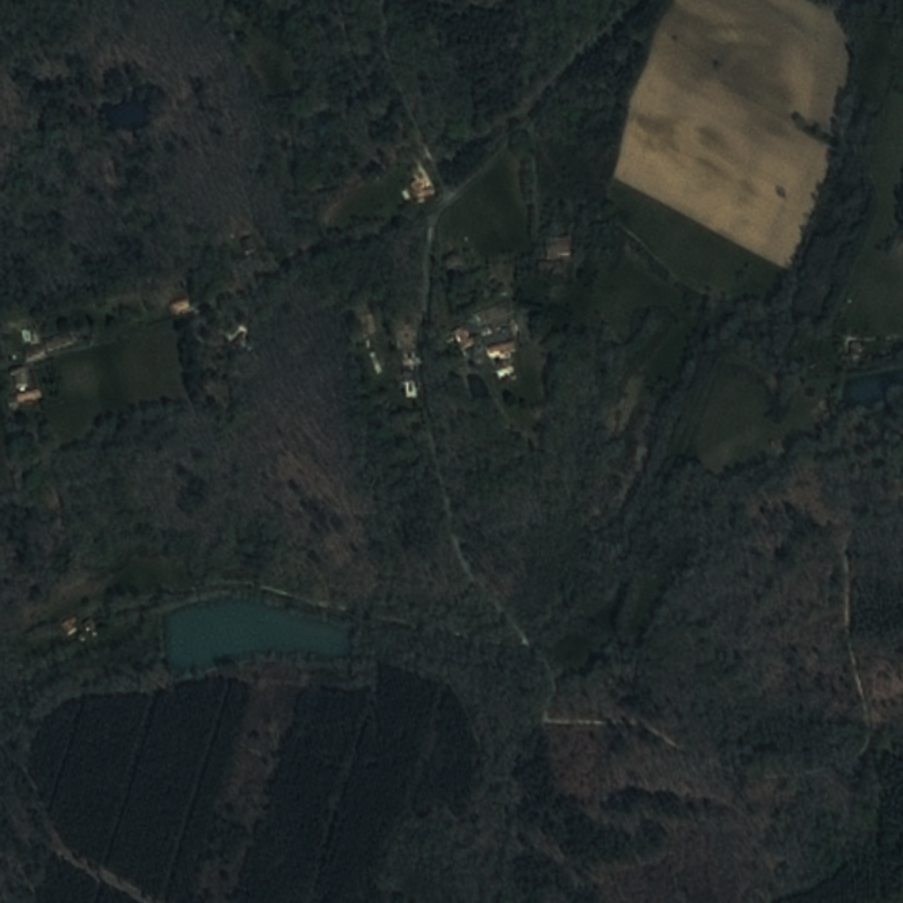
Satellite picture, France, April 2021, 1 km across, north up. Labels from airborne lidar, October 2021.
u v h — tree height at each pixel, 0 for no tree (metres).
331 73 20
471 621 12
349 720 11
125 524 27
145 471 16
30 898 19
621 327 0
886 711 17
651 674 16
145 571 0
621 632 17
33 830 18
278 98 7
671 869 7
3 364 14
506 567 12
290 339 18
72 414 0
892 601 15
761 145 0
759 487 11
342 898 13
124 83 22
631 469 7
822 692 13
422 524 20
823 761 16
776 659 12
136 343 0
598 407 18
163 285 21
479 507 11
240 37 15
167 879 15
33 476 20
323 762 11
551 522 19
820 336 22
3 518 20
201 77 11
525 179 17
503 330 9
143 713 15
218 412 24
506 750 18
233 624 0
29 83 26
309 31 20
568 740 10
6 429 17
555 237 14
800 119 13
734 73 0
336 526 21
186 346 17
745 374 12
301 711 12
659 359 0
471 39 16
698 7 0
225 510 18
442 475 15
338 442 19
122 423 14
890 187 0
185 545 18
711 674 15
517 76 17
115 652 14
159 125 13
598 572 33
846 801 16
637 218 0
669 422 18
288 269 13
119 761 15
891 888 12
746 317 12
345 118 14
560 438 17
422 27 18
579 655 0
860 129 21
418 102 13
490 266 8
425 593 12
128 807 15
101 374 0
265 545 20
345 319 11
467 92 9
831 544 15
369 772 14
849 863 9
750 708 13
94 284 27
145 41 14
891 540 17
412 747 15
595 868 25
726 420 0
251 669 9
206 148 17
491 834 15
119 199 18
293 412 16
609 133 22
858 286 0
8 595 12
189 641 0
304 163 24
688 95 0
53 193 16
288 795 14
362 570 22
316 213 13
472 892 14
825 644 14
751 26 0
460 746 14
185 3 17
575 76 20
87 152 14
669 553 6
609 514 10
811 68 0
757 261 0
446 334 12
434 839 14
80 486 20
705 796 19
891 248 9
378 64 12
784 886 16
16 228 14
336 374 17
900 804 14
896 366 13
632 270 0
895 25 12
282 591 17
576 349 25
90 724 15
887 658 8
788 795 19
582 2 25
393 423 22
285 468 16
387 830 15
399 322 20
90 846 14
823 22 0
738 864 13
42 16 23
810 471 17
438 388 17
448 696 7
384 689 15
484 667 9
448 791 14
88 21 16
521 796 9
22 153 16
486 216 0
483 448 17
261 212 16
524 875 25
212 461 17
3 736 18
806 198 0
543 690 20
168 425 18
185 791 15
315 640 0
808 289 16
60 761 15
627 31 19
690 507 19
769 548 18
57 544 11
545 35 20
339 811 11
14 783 19
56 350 8
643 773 15
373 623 17
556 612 16
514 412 0
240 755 7
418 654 21
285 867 9
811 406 0
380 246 21
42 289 18
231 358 15
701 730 12
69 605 0
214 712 14
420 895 6
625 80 18
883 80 0
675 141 0
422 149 10
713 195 0
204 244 22
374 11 18
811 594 13
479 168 17
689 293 7
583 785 8
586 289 8
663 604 11
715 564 22
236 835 20
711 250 0
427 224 12
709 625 12
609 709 11
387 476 20
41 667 26
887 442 21
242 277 14
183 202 18
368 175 14
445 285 14
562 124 17
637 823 11
